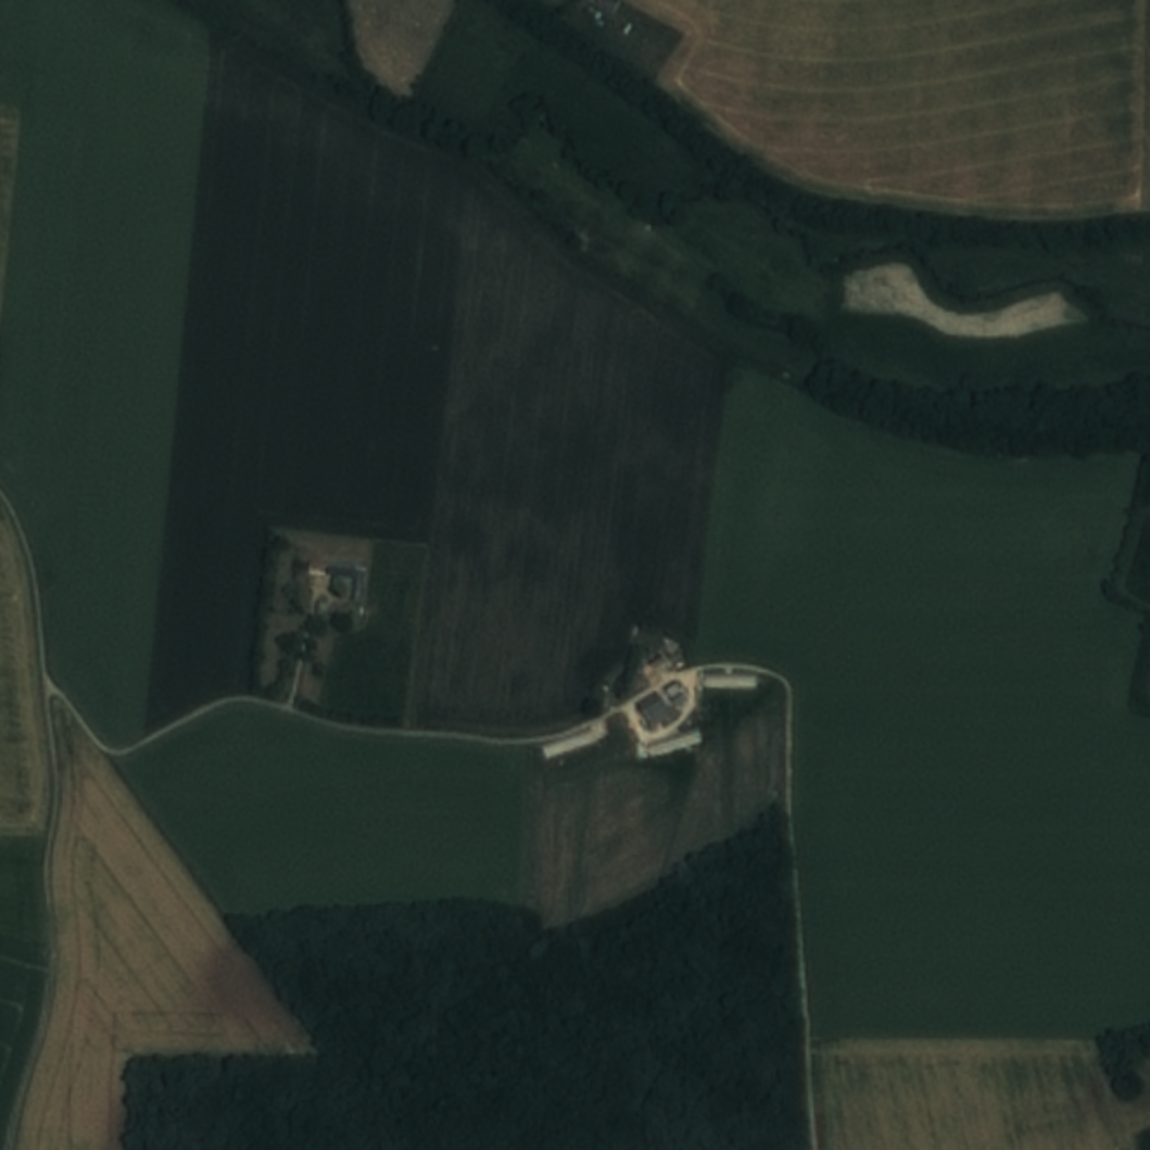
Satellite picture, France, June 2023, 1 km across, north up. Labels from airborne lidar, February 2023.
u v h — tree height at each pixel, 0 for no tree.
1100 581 0
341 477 0
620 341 0
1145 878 0
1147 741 0
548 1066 20
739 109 0
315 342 0
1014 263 0
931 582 0
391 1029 16
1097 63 0
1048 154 0
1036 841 0
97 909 0
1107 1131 0
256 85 0
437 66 0
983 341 0
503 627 0
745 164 14
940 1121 0
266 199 0
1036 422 18
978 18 0
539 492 0
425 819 0
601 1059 19
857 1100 0
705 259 0
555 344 0
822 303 0
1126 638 0
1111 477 0
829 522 0
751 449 0
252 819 0
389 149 0
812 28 0
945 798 0
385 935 20
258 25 0
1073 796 0
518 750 0
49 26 0
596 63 15
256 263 0
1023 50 0
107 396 0
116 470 0
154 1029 0
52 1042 0
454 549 0
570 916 0
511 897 0
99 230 0
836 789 0
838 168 0
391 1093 18
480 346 0
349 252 0
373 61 0
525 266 0
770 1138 25
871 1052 0
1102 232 11
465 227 0
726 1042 22
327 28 0
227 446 0
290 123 0
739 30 0
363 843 0
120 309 0
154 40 0
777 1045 21
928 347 0
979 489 0
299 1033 0
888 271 0
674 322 0
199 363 0
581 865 0
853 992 0
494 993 15
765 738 0
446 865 0
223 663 0
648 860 0
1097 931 0
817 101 0
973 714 0
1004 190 0
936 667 0
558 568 0
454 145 20
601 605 0
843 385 23
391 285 0
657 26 0
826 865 0
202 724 0
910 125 0
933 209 0
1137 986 0
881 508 0
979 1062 0
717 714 0
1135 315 0
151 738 0
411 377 0
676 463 0
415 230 0
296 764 0
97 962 0
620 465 0
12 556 0
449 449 0
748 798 0
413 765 0
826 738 0
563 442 0
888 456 0
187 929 0
